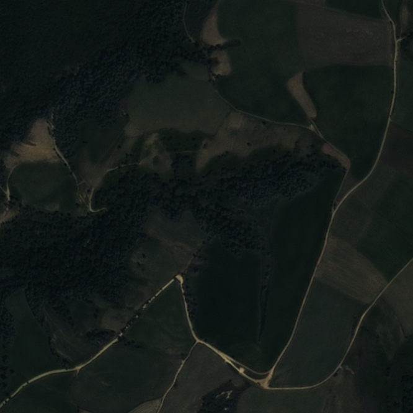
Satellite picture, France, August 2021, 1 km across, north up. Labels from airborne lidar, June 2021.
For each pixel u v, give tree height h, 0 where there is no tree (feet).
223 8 0
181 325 0
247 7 0
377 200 0
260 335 0
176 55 41
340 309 0
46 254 68
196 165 0
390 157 0
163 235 0
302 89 0
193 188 60
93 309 0
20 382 0
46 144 0
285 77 0
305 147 0
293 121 0
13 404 0
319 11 0
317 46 0
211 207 55
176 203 46
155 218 0
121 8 81
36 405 0
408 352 0
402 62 0
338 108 0
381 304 0
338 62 0
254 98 0
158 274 0
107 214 43
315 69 0
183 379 0
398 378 0
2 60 92
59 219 41
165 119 0
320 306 0
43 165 0
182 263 0
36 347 0
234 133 0
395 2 0
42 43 67
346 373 0
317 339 0
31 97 77
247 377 0
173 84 0
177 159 22
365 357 0
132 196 26
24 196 0
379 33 0
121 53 32
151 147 0
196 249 0
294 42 0
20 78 76
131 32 67
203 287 0
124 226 70
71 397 0
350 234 0
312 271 0
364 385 0
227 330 0
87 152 0
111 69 44
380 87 0
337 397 0
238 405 0
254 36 0
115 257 48
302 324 0
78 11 65
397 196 0
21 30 81
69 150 24
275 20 0
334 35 0
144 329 0
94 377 0
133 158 31
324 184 0
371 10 0
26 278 46
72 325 44
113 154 0
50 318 0
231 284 0
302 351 0
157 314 0
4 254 56
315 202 0
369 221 0
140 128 0
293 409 0
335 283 0
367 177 0
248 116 0
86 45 83
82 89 35
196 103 0
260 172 65
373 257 0
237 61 0
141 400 0
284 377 0
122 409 0
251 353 0
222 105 0
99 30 82
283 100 0
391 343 0
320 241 0
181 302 0
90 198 0
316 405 0
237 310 0
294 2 0
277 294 0
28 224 44
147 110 0
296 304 0
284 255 0
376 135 0
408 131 0
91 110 22
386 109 0
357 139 0
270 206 0
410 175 0
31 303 37
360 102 0
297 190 33
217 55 0
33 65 68
